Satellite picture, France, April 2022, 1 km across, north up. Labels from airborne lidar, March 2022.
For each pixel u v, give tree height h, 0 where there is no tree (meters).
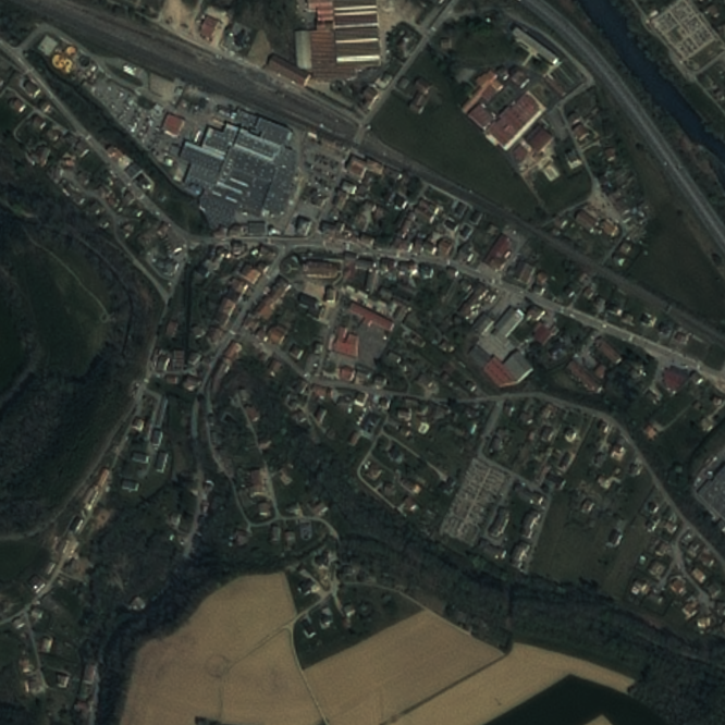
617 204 0
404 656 0
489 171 0
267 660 0
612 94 0
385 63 0
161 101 0
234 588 0
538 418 6
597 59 0
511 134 0
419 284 10
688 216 0
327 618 0
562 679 0
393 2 0
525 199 0
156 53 0
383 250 0
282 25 6
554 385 0
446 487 0
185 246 0
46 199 8
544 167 0
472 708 0
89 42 0
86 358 0
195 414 0
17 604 0
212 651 0
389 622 0
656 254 0
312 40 0
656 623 0
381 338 0
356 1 0
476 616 8
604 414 0
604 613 26
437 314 0
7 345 0
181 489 16
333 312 0
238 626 0
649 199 0
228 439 8
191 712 0
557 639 8
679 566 0
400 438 0
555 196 0
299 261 0
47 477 17
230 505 11
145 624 18
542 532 0
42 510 21
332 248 0
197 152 0
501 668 0
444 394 0
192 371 0
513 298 0
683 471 11
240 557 7
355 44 0
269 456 12
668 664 12
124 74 0
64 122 0
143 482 0
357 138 0
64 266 0
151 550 14
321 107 0
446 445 0
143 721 0
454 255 0
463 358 0
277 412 18
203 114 0
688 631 0
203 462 23
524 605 24
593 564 0
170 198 0
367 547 23
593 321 0
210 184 0
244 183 0
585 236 0
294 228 0
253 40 0
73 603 0
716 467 0
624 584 0
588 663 0
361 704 0
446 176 0
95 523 0
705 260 0
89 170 0
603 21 0
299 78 0
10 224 27
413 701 0
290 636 0
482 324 0
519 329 0
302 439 18
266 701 0
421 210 0
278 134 0
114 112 0
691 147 0
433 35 0
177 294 0
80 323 0
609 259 0
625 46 0
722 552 14
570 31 0
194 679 0
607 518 13
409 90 0
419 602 0
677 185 0
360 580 9
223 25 0
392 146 0
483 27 23
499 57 0
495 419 0
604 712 0
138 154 6
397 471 0
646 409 0
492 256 0
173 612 14
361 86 0
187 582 14
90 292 0
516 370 0
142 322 23
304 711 0
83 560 12
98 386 23
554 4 0
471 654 0
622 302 0
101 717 7
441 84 0
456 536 0
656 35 0
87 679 0
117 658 18
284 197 0
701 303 0
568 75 0
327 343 0
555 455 7
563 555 0
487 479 0
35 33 0
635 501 0
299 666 0
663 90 0
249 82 0
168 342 0
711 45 0
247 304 0
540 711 0
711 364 0
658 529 0
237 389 0
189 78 0
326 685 0
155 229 0
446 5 6
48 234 24
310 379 0
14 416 24
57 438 24
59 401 21
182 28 0
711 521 14
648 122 0
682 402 0
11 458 20
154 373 0
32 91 0
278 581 0
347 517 21
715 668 17
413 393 0
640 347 0
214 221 0
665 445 0
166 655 0
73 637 0
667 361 0
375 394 0
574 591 14
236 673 0
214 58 0
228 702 0
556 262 0
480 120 0
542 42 0
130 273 21
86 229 23
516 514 0
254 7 0
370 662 0
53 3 0
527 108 0
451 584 21
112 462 0
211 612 0
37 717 9
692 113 0
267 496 0
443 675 0
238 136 0
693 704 11
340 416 0
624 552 0
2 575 0
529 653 0
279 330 0
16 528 22
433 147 0
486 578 12
